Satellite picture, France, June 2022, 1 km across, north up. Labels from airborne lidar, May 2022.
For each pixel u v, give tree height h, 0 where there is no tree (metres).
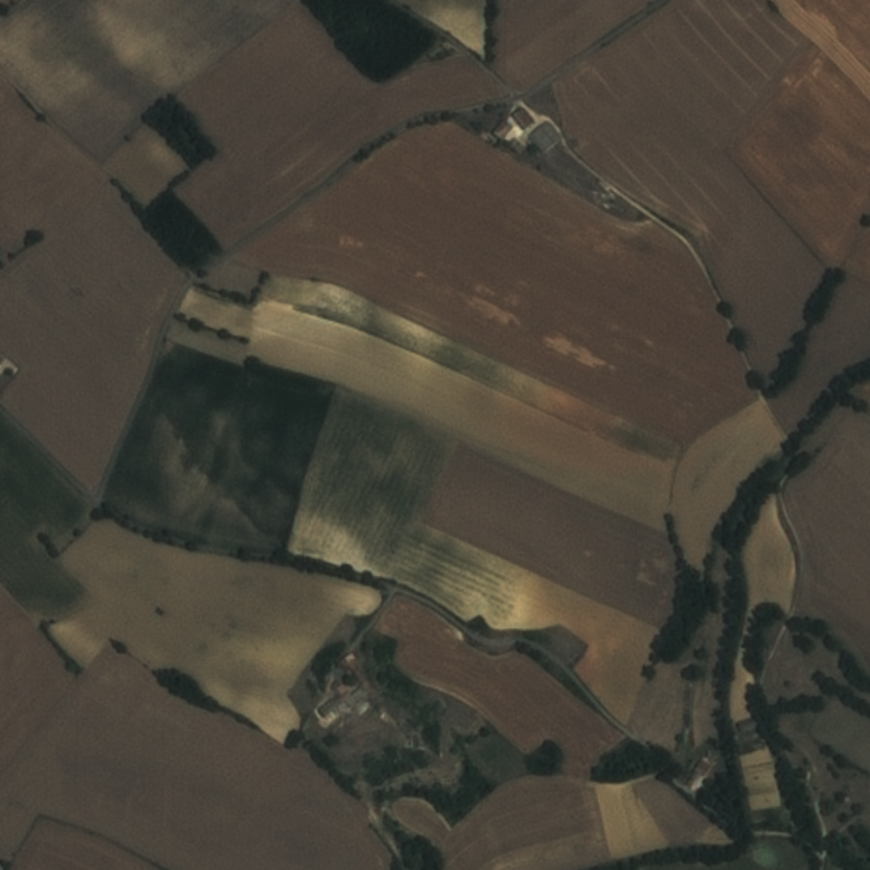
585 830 0
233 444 0
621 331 0
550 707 0
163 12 0
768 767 0
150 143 0
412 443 0
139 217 11
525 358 0
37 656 0
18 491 0
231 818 0
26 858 0
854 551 0
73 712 0
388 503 0
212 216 0
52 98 0
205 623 0
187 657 0
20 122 0
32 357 0
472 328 0
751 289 0
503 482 0
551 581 0
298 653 0
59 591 0
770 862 0
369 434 0
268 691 0
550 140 0
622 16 0
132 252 0
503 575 0
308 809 0
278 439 0
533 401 0
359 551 0
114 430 0
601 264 0
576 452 0
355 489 0
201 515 0
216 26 0
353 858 0
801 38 0
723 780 29
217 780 0
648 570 0
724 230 0
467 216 0
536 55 0
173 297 0
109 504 9
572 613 0
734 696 0
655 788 0
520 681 0
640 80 0
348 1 8
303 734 10
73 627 0
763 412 0
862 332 0
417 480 0
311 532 0
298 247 0
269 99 0
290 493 0
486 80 0
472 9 0
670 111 0
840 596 0
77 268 0
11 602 0
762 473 20
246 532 0
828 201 0
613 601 0
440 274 0
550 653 0
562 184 0
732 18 0
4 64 0
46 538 12
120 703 0
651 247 0
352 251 0
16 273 0
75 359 0
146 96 0
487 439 0
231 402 0
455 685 0
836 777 6
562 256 0
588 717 0
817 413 15
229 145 0
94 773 0
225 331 10
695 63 0
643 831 0
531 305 0
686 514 0
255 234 0
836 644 13
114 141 0
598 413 0
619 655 0
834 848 17
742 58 0
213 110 0
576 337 0
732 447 0
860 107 0
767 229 0
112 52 0
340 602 0
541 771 7
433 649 0
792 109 0
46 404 0
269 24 0
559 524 0
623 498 0
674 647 19
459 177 0
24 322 0
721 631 0
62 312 0
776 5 6
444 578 0
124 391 0
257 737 0
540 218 0
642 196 0
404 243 0
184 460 0
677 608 13
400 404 0
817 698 11
